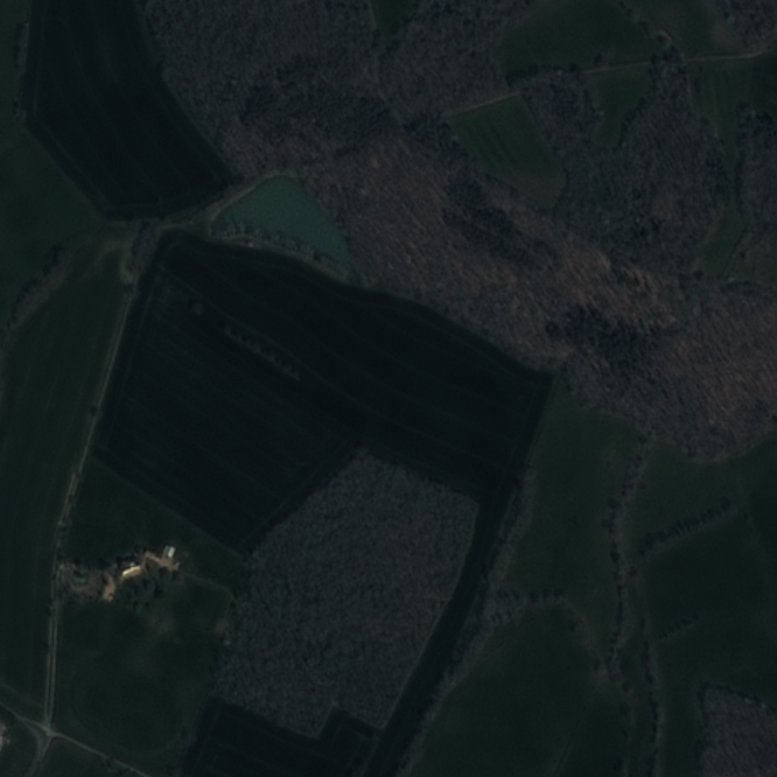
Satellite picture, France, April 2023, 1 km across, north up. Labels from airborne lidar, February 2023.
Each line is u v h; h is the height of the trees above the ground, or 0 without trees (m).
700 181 20
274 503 0
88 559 0
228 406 0
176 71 15
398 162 23
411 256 19
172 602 0
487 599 17
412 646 13
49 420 0
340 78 17
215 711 0
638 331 24
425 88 20
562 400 0
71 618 0
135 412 0
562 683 0
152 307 0
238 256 0
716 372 20
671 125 23
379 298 0
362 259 23
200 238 0
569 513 0
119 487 0
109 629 0
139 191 0
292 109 13
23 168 0
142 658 0
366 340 0
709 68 0
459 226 17
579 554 0
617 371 21
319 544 19
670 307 24
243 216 0
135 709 0
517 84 21
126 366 0
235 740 0
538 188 0
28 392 0
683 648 0
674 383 19
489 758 0
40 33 0
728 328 20
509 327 24
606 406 19
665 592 0
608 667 12
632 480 8
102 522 0
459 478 0
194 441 0
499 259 16
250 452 0
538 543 0
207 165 0
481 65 16
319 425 0
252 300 0
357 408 0
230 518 0
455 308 22
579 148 17
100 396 0
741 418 20
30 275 0
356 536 17
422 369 0
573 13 0
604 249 15
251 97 17
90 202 0
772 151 15
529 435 0
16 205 0
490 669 0
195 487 0
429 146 23
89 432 0
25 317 12
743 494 0
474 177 16
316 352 0
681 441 22
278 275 0
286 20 20
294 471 0
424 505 20
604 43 0
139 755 0
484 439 0
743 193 22
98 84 0
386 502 16
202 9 15
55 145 0
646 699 0
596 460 0
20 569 0
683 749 0
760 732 21
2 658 0
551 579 0
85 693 0
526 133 0
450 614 0
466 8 12
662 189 19
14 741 0
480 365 0
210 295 0
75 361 0
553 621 0
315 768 0
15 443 0
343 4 19
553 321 19
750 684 0
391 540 19
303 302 0
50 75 0
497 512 0
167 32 14
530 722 0
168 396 0
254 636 18
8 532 0
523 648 0
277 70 17
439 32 15
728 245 0
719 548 0
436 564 19
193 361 0
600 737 0
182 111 0
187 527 0
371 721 11
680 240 16
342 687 18
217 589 0
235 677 16
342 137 15
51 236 0
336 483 13
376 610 18
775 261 0
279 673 22
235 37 17
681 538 17
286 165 25
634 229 15
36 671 0
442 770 0
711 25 0
